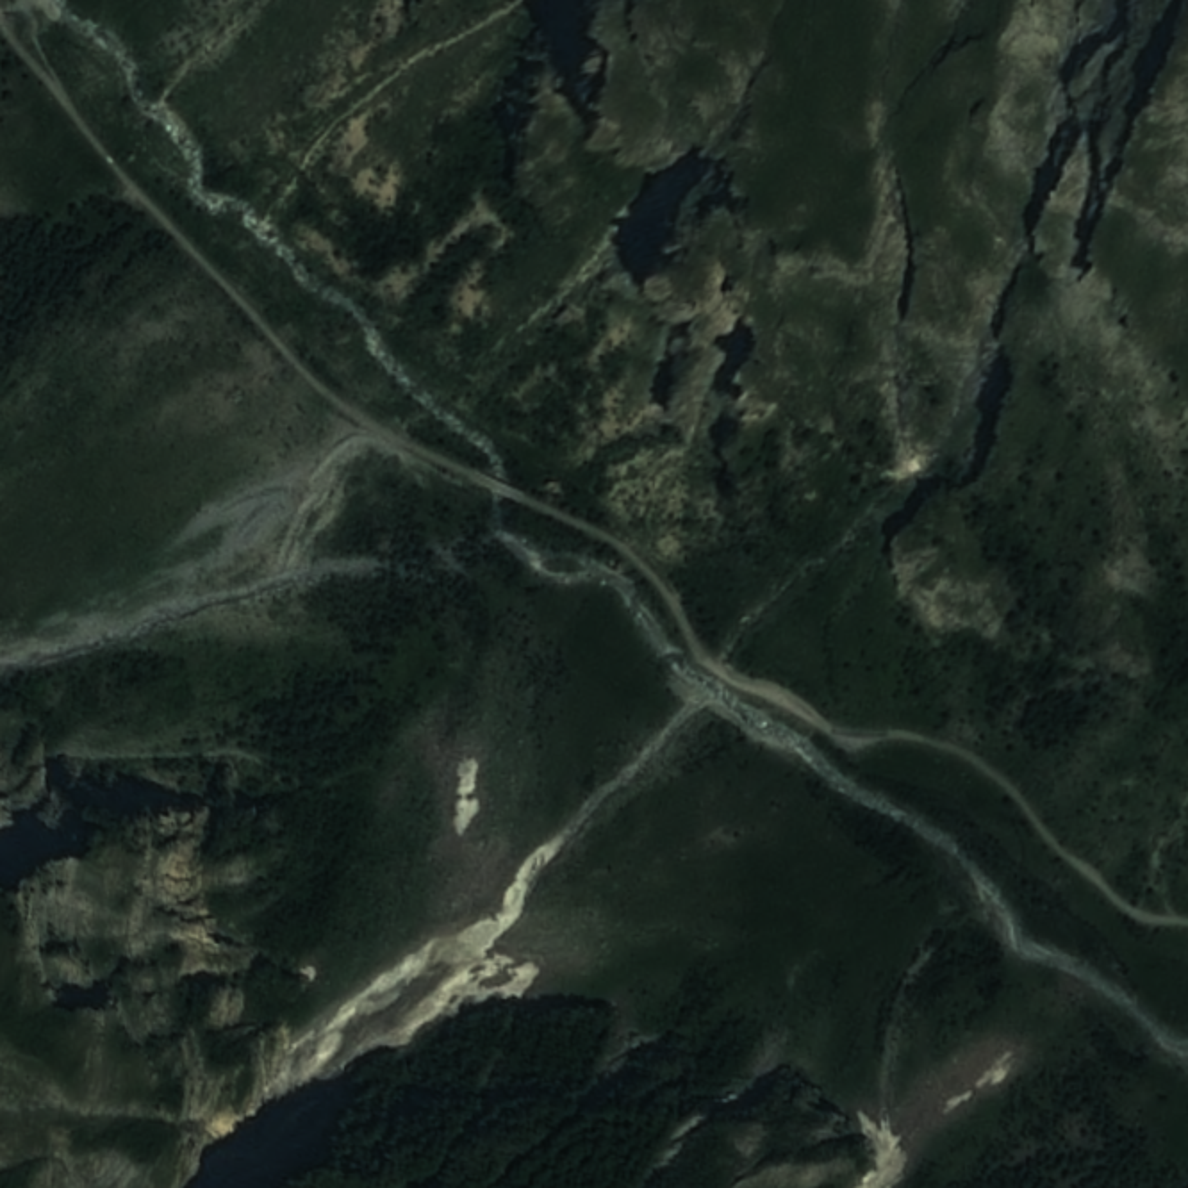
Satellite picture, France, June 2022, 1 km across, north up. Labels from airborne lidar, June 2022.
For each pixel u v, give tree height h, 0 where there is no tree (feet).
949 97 0
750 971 0
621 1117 43
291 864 19
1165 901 0
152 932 0
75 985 0
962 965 32
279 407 0
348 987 0
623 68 0
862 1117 0
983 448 22
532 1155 43
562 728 0
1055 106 0
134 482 0
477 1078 46
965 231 0
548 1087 35
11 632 0
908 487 0
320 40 0
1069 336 0
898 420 0
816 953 0
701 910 0
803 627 0
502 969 0
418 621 35
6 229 31
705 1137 22
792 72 0
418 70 0
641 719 0
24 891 36
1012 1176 39
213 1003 45
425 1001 37
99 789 36
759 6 0
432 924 0
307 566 0
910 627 38
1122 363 0
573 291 0
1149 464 0
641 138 64
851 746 0
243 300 0
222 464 0
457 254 56
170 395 0
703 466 23
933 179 0
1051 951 0
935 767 0
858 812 22
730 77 0
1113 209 0
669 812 0
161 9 0
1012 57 0
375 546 37
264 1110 68
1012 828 0
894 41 0
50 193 0
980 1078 0
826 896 0
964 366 0
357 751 26
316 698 36
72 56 0
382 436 0
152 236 24
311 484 0
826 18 0
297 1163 26
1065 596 24
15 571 0
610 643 0
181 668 25
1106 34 0
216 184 48
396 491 33
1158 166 0
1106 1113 28
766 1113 26
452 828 0
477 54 0
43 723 28
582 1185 61
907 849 20
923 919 0
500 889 0
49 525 0
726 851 0
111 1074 0
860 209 0
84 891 0
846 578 0
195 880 0
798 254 20
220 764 28
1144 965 0
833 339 0
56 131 0
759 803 0
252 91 0
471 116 20
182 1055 28
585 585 0
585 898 0
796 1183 0
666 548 0
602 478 20
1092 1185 49
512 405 17
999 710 47
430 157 28
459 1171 34
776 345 0
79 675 22
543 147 0
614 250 0
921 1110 0
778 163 0
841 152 0
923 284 0
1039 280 0
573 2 0
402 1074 26
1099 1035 40
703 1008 32
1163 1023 0
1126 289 0
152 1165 41
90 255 37
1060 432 0
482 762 0
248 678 18
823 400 0
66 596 0
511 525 39
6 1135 0
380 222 22
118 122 0
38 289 52
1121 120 0
